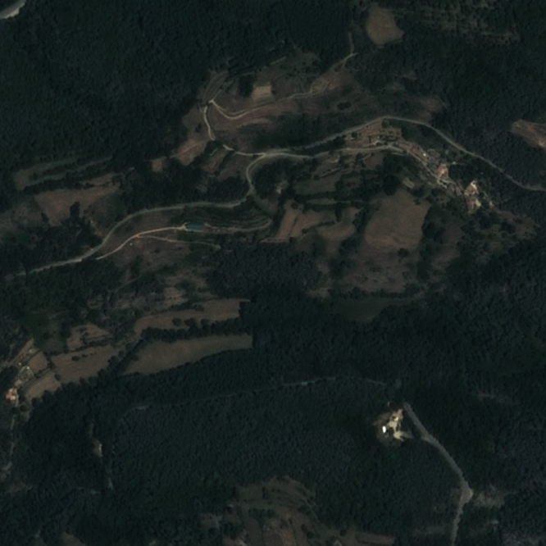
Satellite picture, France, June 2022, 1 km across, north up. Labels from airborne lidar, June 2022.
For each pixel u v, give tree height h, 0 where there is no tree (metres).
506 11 14
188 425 17
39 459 23
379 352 15
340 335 20
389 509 21
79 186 11
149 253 0
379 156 0
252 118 0
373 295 10
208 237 6
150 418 16
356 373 21
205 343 0
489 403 6
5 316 20
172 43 26
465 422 21
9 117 21
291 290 17
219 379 17
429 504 13
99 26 14
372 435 11
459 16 8
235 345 0
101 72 10
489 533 13
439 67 21
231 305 0
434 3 8
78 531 9
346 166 9
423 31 10
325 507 11
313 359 16
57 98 19
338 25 17
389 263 0
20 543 17
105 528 16
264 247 8
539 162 19
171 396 19
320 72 9
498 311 16
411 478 19
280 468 13
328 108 6
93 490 22
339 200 12
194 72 23
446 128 11
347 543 0
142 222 0
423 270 6
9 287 9
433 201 8
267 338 28
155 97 17
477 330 11
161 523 9
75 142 15
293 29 22
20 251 10
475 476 19
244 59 9
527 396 12
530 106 18
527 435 18
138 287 13
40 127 24
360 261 0
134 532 21
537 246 13
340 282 0
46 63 11
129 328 14
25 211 0
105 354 0
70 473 19
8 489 7
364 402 19
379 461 17
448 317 20
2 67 18
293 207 9
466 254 9
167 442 16
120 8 19
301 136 11
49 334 8
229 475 15
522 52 15
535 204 16
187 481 9
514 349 18
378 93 10
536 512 19
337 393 17
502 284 7
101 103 15
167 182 12
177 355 0
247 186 9
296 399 20
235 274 17
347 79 0
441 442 11
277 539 0
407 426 13
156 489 12
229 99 0
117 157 15
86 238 13
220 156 0
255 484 7
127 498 15
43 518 20
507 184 17
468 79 14
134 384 21
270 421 18
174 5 30
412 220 0
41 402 21
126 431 20
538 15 21
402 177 0
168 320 0
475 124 13
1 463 11
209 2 16
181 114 11
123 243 0
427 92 12
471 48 11
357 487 16
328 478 14
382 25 0
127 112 9
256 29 13
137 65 9
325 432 18
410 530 11
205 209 9
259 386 18
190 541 9
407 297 12
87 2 18
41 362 0
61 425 8
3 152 23
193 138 0
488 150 13
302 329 21
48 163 7
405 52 13
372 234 0
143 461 16
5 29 18
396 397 27
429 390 19
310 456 15
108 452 18
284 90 0
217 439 15
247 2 6
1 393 15
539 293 20
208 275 7
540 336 15
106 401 20
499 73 6
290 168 10
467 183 10
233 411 10
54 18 19
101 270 13
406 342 22
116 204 0
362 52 7
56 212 0
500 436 18
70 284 14
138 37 16
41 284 14
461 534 18
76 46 14
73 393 14
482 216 10
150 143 13
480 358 16
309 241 0
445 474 23
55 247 10
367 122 0
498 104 18
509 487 13
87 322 14
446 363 19
